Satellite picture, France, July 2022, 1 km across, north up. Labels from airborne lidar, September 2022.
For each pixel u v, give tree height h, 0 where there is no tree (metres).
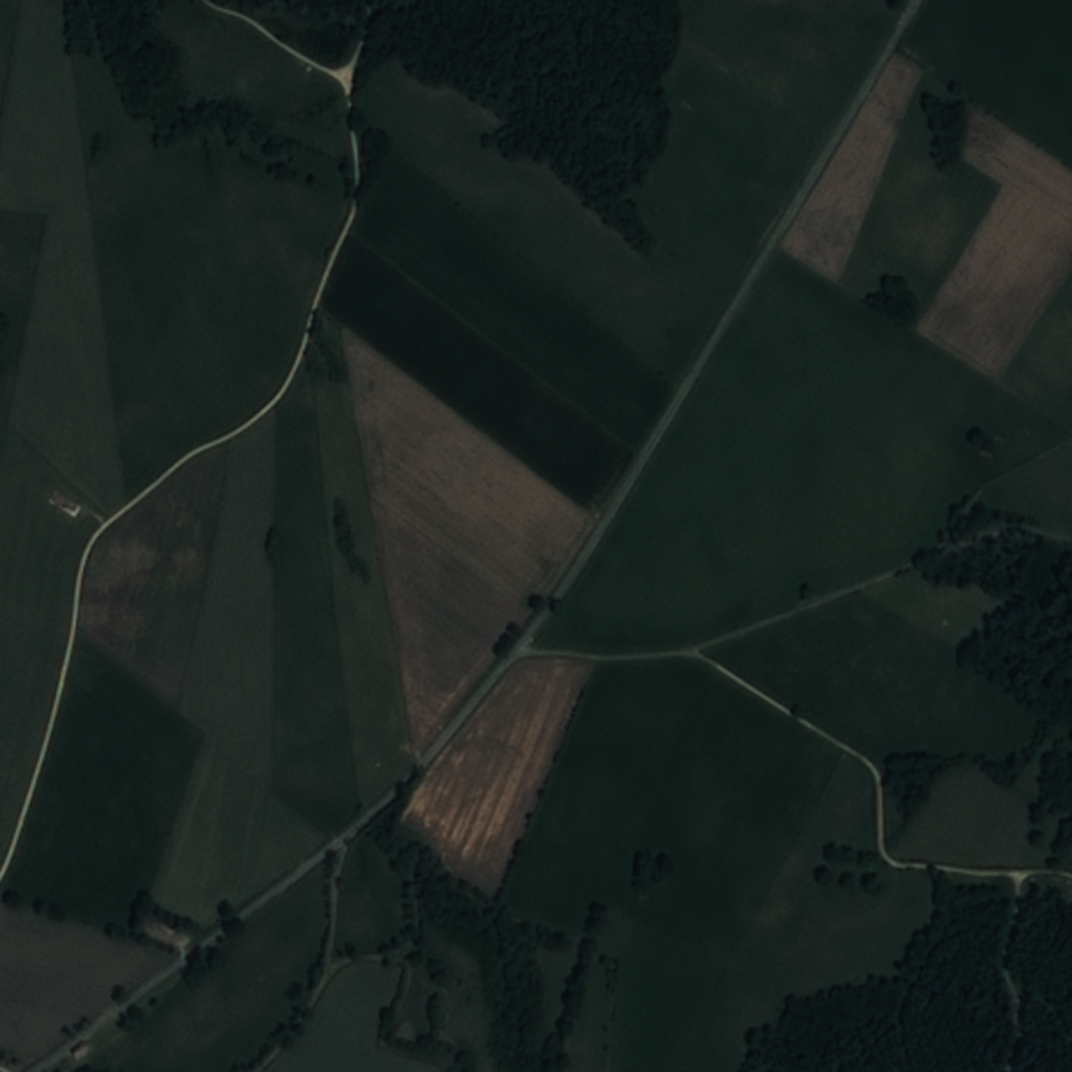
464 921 11
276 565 0
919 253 0
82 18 15
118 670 0
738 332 0
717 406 0
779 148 0
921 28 0
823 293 0
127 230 0
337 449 0
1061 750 15
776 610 0
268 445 0
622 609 0
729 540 0
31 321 0
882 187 0
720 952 0
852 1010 14
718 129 0
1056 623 24
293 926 0
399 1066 0
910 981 11
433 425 0
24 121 0
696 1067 0
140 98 16
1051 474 0
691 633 0
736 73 0
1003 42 0
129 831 0
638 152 13
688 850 0
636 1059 0
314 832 0
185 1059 0
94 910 0
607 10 17
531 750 0
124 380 0
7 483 0
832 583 0
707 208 0
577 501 0
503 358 0
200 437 0
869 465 0
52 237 0
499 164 0
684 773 0
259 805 0
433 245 0
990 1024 20
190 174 0
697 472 0
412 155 0
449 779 0
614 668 0
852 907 0
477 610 0
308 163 0
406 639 0
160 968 0
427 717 0
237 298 0
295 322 0
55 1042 0
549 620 0
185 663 0
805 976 0
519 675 0
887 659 0
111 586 0
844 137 0
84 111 0
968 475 0
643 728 0
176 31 0
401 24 13
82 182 0
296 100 0
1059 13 0
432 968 13
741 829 0
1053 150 0
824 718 0
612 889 0
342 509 5
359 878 0
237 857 0
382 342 0
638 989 0
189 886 0
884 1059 16
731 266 0
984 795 0
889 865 9
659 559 0
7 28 0
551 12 18
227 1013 0
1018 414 0
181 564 0
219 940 11
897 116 0
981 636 18
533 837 0
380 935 0
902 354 0
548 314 0
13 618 0
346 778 0
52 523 0
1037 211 0
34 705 0
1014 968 16
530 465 0
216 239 0
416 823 0
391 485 0
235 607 0
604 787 0
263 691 0
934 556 19
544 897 0
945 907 18
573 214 0
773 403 0
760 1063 16
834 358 0
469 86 13
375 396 0
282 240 0
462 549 0
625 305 0
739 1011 0
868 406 0
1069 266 0
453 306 0
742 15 0
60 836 0
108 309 0
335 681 0
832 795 0
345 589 0
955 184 0
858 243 0
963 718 0
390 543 0
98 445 0
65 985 0
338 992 0
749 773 0
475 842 0
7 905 15
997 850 0
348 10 21
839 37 0
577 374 0
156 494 0
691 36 0
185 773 0
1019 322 0
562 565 0
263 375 0
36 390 0
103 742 0
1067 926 17
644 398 0
